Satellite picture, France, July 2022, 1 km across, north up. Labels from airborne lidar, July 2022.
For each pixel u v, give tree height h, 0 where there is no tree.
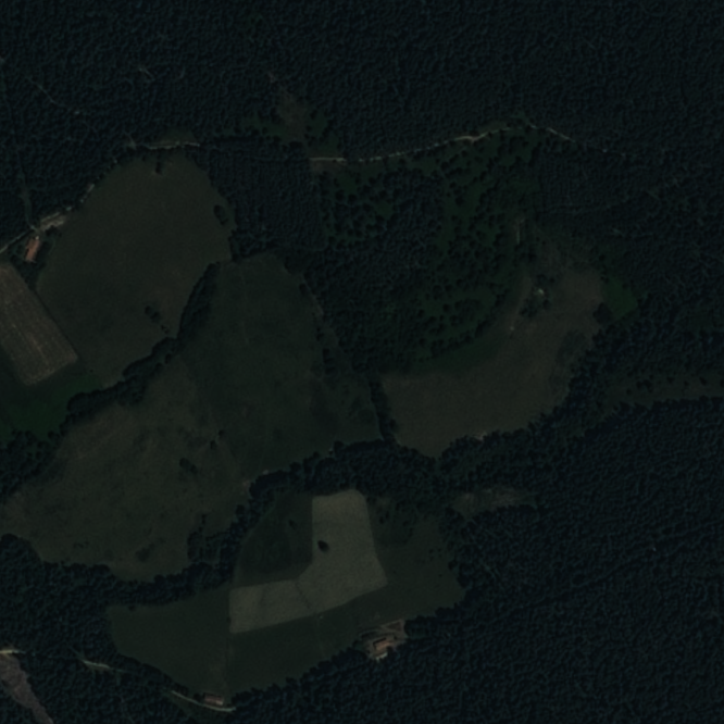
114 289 0
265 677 0
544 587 23
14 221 14
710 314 8
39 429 0
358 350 17
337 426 0
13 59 22
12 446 17
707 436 26
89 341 0
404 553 0
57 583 21
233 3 23
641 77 22
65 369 0
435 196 19
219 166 20
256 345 0
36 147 22
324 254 11
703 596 22
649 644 24
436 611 0
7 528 0
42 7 19
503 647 23
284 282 0
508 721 22
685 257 19
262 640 0
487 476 17
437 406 0
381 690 20
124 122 17
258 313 0
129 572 0
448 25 20
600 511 22
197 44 21
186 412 0
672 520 23
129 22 14
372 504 8
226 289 0
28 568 21
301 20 23
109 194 0
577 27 24
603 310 12
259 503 23
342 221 23
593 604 21
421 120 19
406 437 0
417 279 19
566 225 18
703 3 27
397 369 7
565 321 0
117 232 0
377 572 0
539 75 18
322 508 0
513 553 29
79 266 0
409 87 9
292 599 0
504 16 26
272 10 24
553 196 25
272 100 20
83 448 0
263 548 0
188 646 0
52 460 10
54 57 20
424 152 12
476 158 7
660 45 22
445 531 10
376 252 19
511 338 0
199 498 0
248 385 0
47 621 19
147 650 0
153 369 9
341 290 13
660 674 22
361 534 0
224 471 0
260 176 20
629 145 16
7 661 0
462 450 28
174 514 0
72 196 9
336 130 13
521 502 0
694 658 23
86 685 20
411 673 24
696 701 21
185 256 0
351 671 21
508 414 0
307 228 23
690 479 19
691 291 18
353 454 28
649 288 21
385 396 16
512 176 10
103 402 19
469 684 25
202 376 0
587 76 24
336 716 27
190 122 20
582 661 23
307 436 0
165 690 8
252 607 0
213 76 16
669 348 27
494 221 15
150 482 0
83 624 26
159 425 0
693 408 22
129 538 0
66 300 0
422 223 25
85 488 0
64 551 0
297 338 0
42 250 7
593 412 20
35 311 0
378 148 22
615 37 26
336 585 0
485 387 0
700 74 25
